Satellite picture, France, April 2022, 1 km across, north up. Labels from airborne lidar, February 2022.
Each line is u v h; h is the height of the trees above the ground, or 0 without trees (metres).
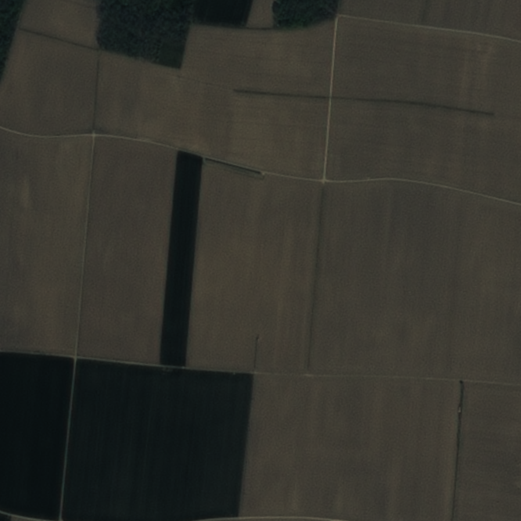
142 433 0
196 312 0
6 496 0
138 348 0
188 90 0
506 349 0
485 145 0
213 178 0
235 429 0
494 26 0
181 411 0
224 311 0
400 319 0
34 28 0
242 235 0
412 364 0
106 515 0
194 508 0
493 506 0
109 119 0
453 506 0
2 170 0
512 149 0
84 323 0
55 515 0
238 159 0
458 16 0
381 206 0
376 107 0
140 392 0
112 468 0
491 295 0
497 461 0
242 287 0
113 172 0
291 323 0
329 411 0
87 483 0
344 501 0
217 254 0
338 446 0
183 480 0
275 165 0
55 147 0
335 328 0
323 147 0
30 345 0
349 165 0
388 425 0
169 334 0
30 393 0
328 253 0
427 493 0
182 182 0
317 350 0
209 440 0
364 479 0
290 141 0
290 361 0
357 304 0
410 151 0
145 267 0
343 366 0
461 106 0
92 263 0
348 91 0
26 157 0
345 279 0
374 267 0
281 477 0
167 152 0
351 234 0
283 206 0
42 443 0
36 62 0
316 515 0
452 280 0
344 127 0
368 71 0
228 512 0
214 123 0
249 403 0
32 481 0
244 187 0
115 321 0
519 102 0
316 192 0
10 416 0
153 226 0
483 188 0
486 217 0
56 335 0
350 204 0
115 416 0
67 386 0
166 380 0
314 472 0
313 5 26
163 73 0
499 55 0
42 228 0
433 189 0
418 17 0
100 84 0
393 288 0
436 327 0
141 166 0
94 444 0
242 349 0
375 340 0
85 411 0
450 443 0
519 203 0
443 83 0
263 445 0
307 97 0
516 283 0
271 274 0
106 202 0
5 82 0
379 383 0
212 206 0
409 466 0
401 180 0
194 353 0
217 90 0
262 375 0
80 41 0
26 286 0
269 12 0
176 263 0
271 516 0
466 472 0
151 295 0
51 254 0
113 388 0
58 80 0
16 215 0
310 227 0
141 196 0
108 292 0
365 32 0
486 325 0
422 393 0
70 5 0
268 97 0
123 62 0
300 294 0
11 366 0
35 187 0
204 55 0
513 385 0
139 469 0
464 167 0
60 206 0
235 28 0
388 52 0
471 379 0
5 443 0
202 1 0
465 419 0
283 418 0
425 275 0
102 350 0
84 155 0
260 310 0
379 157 0
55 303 0
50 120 0
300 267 0
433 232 0
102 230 0
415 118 0
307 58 0
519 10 0
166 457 0
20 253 0
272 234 0
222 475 0
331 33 0
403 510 0
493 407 0
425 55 0
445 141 0
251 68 0
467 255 0
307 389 0
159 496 0
